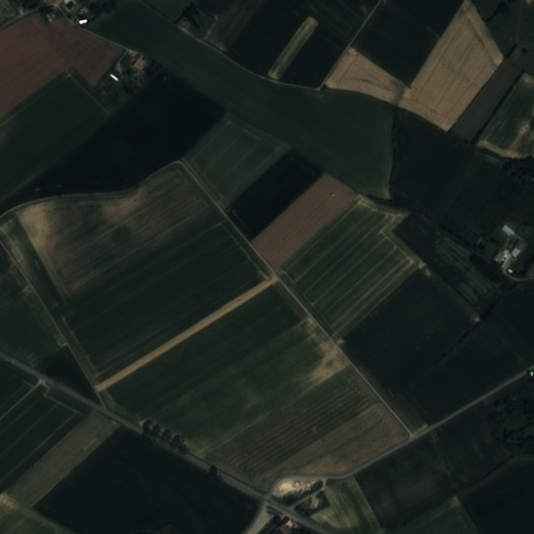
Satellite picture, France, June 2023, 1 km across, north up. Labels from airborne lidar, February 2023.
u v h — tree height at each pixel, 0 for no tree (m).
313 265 0
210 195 0
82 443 0
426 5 0
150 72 13
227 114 0
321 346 0
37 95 0
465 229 0
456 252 0
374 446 0
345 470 0
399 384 0
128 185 0
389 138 0
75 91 0
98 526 0
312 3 0
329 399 0
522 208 0
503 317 0
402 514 0
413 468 0
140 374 0
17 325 0
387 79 0
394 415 0
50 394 0
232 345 0
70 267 0
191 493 0
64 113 0
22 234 0
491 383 0
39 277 0
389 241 0
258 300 0
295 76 0
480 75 0
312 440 0
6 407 0
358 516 0
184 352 0
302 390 0
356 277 0
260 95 0
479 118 0
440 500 0
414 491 0
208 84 0
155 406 0
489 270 27
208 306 0
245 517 0
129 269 0
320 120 0
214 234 0
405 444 0
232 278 0
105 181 0
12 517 0
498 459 0
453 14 0
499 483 0
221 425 0
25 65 0
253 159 0
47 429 0
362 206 0
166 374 0
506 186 0
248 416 0
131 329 0
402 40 0
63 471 0
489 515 0
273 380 0
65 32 0
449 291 0
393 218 0
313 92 0
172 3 0
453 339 0
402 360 0
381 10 0
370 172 0
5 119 0
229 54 0
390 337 0
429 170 0
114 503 0
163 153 0
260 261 0
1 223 0
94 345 0
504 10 15
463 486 0
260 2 0
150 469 0
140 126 0
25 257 0
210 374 0
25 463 0
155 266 0
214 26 0
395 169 6
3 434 0
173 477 0
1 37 0
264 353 0
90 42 0
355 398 0
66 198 0
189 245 0
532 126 0
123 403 0
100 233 0
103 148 0
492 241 8
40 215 0
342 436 0
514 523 0
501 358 0
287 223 0
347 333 0
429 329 0
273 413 0
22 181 0
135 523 0
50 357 0
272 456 0
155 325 0
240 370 0
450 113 0
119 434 0
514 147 0
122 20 0
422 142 0
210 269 0
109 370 0
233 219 0
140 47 0
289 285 0
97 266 0
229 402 0
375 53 0
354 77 0
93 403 0
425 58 0
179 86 0
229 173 0
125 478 0
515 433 9
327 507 0
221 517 0
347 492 0
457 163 0
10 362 0
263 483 0
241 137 0
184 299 0
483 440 0
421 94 0
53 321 0
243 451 0
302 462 0
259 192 0
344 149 0
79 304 0
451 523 0
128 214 0
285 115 0
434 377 0
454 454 0
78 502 0
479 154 0
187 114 0
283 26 0
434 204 0
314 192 0
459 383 0
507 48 0
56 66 0
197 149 0
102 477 0
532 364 0
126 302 0
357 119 0
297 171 0
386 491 0
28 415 0
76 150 0
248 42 0
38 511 0
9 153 0
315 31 0
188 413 0
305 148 0
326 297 0
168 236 0
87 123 0
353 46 0
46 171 0
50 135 0
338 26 0
